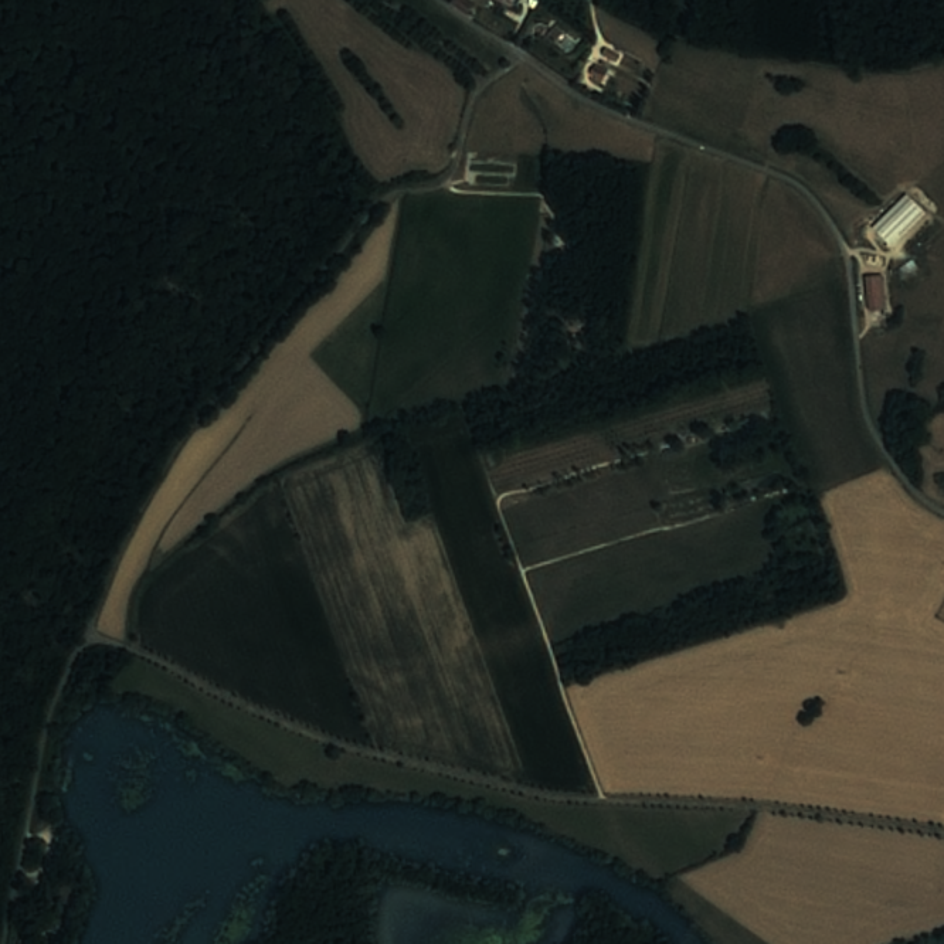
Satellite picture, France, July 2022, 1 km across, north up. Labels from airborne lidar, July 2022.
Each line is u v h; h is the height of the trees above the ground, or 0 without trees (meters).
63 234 30
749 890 0
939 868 0
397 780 0
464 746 0
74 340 32
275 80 34
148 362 26
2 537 28
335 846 16
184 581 0
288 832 0
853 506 0
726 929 0
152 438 25
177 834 0
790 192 0
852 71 15
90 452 33
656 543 0
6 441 33
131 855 0
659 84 0
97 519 34
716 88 0
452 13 0
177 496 0
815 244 0
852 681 0
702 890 0
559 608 0
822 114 0
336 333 0
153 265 29
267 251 26
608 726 0
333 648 0
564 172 22
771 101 0
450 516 0
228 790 0
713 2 36
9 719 27
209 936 0
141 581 0
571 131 0
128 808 0
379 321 0
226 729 0
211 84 30
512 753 0
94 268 32
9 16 28
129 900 0
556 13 8
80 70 29
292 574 0
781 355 0
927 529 0
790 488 15
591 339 18
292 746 0
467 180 0
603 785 0
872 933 0
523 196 0
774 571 18
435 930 0
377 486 0
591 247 25
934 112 0
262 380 0
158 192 34
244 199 30
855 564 0
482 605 0
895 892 0
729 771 0
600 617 0
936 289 0
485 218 0
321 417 0
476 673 0
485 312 0
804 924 0
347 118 0
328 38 0
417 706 0
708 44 24
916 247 0
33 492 30
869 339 0
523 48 6
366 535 0
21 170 32
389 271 0
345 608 0
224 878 0
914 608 0
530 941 0
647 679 0
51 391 31
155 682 0
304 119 34
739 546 0
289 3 0
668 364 22
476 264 0
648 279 0
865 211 0
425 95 0
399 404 0
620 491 0
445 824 0
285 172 29
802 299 0
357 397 0
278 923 14
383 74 0
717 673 0
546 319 20
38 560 29
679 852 0
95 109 32
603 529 0
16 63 26
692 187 0
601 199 23
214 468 0
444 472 0
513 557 10
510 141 0
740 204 0
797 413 0
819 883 0
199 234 29
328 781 0
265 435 0
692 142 0
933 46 10
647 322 0
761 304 0
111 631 0
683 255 0
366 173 15
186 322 19
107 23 30
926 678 0
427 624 0
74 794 0
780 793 0
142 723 0
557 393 16
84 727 0
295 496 0
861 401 0
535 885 0
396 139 0
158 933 0
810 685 0
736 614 14
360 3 8
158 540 0
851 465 0
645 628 13
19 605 30
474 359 0
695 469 0
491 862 0
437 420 16
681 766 0
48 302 31
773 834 0
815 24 22
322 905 11
